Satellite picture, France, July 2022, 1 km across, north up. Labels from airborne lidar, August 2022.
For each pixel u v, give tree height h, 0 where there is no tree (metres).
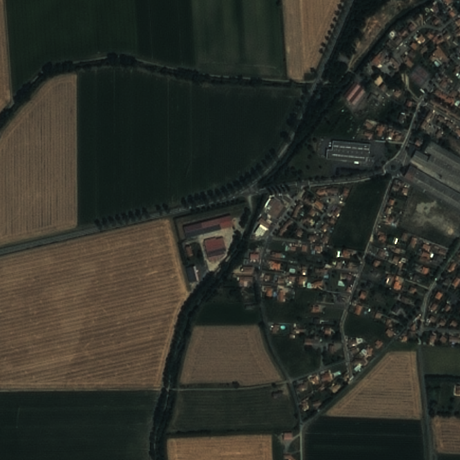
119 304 0
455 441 0
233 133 0
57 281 0
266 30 0
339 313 0
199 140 0
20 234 0
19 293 0
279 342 0
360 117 0
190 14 0
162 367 0
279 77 0
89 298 0
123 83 0
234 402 0
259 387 0
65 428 0
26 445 0
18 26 0
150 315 0
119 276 0
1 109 0
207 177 0
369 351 0
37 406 0
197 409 0
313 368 0
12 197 0
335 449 0
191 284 0
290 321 0
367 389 0
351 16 11
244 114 0
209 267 0
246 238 15
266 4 0
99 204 0
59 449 0
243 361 0
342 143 0
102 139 0
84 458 0
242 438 0
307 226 10
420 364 0
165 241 0
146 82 0
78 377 0
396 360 0
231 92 0
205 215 0
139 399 0
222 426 0
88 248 0
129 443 0
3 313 0
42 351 0
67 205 0
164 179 0
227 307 0
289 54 0
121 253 0
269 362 0
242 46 0
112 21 0
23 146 0
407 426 0
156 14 0
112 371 0
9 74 0
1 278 0
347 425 0
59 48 0
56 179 0
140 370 0
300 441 0
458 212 0
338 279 0
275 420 0
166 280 0
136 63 21
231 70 0
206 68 0
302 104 23
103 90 0
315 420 0
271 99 0
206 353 0
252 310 0
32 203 0
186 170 0
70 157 0
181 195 0
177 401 0
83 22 0
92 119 0
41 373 0
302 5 0
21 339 0
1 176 0
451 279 6
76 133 0
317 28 0
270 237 0
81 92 0
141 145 0
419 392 0
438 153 0
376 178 10
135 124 0
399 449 0
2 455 0
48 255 0
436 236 0
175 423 0
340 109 0
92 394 0
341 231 0
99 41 0
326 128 0
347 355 0
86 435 0
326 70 13
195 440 0
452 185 0
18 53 0
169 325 0
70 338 0
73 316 0
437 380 11
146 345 0
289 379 0
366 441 0
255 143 0
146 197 0
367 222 0
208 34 0
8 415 0
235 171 0
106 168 0
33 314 0
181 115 0
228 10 0
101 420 0
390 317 8
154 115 0
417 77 0
